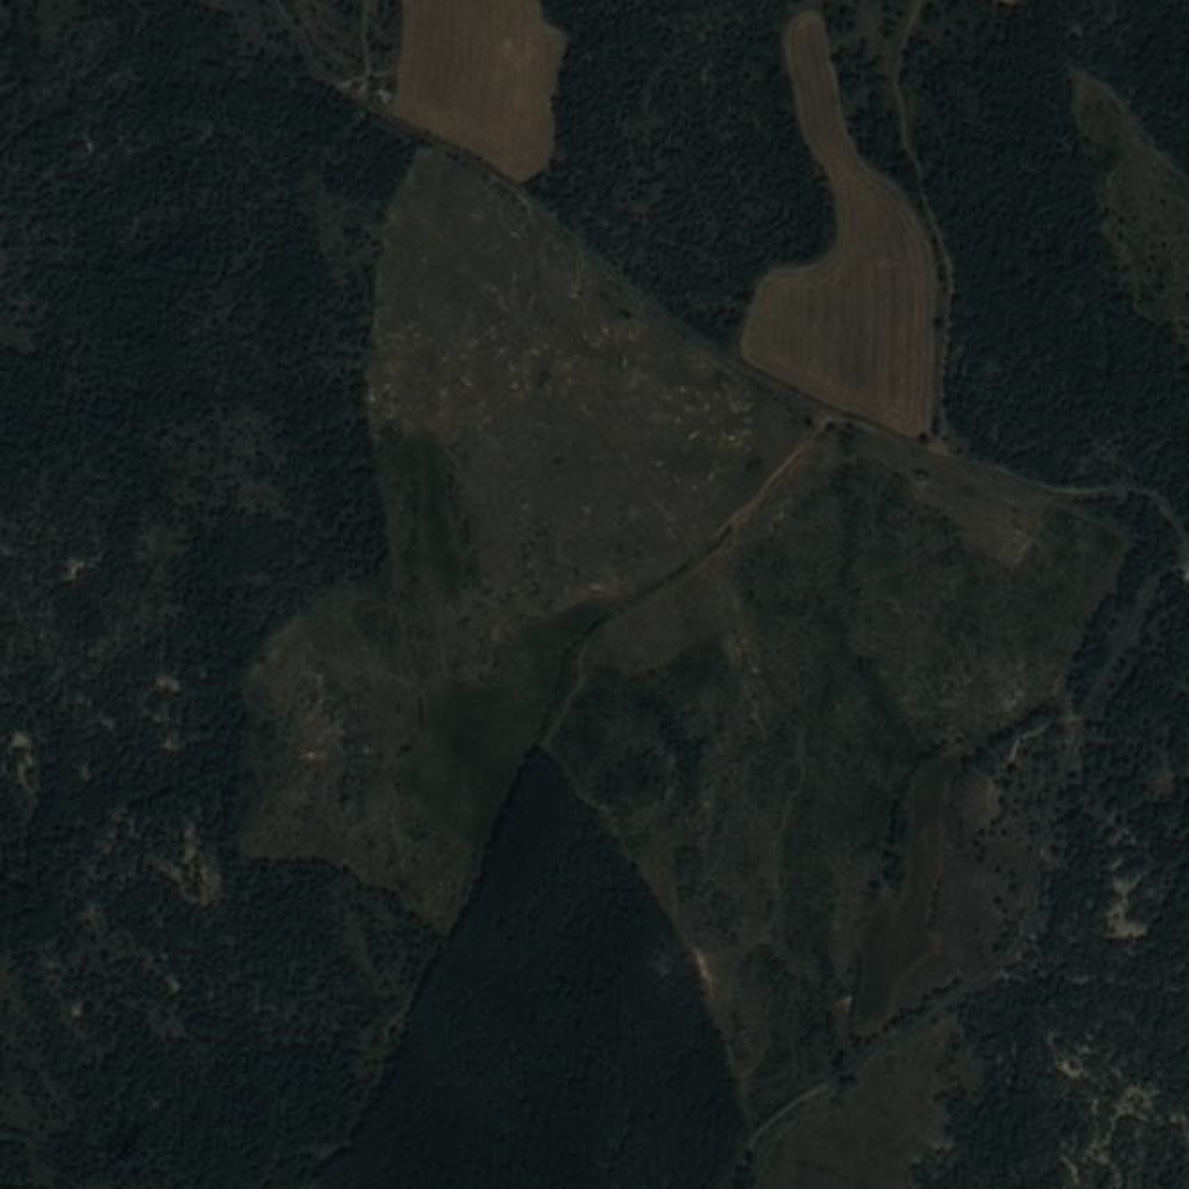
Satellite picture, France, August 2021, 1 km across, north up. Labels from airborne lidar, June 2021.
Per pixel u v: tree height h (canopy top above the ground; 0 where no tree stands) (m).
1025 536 0
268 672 0
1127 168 0
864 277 0
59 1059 7
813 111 0
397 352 0
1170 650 9
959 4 7
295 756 0
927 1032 0
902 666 0
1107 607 8
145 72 7
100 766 10
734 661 0
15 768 7
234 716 8
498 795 0
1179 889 7
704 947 0
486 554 0
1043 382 7
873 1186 0
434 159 0
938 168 10
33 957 7
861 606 0
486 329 0
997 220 8
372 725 0
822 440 0
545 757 12
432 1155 12
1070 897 7
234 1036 8
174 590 7
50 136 6
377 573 7
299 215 6
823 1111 0
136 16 8
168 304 6
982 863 8
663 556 0
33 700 7
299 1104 6
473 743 0
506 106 0
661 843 0
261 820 0
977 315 8
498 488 0
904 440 0
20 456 7
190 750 7
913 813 0
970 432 7
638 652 0
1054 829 7
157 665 6
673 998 7
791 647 0
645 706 8
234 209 6
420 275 0
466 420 0
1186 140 7
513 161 0
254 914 6
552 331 0
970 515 0
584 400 0
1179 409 12
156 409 7
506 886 13
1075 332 8
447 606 0
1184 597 11
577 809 11
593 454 0
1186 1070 7
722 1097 18
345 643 0
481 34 0
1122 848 6
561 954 12
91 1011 10
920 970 0
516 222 0
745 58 7
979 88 7
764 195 6
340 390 9
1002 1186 6
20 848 6
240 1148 7
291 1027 6
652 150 6
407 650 0
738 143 8
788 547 0
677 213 7
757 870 0
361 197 8
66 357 6
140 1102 8
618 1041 14
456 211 0
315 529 7
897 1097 0
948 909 0
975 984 0
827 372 0
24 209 7
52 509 7
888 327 0
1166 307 0
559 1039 11
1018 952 0
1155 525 11
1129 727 9
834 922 0
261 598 7
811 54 0
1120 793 6
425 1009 10
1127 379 15
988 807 0
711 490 0
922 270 0
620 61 7
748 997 0
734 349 0
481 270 0
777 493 0
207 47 6
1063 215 8
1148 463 10
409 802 0
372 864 0
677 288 7
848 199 0
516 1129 11
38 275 7
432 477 0
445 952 9
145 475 6
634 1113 10
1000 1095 8
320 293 8
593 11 11
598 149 6
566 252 0
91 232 7
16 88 7
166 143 8
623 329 0
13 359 9
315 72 0
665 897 0
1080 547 0
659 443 0
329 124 9
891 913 0
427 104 0
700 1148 12
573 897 10
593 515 0
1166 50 11
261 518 7
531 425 0
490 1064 10
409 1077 12
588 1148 13
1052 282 9
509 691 0
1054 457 8
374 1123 12
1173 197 0
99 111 7
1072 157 6
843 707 0
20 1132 6
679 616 0
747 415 0
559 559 0
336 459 6
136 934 7
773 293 0
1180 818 7
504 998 13
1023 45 9
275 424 6
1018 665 0
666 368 0
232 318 7
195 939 8
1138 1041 6
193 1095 9
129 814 6
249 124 7
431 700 0
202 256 6
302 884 9
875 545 0
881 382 0
